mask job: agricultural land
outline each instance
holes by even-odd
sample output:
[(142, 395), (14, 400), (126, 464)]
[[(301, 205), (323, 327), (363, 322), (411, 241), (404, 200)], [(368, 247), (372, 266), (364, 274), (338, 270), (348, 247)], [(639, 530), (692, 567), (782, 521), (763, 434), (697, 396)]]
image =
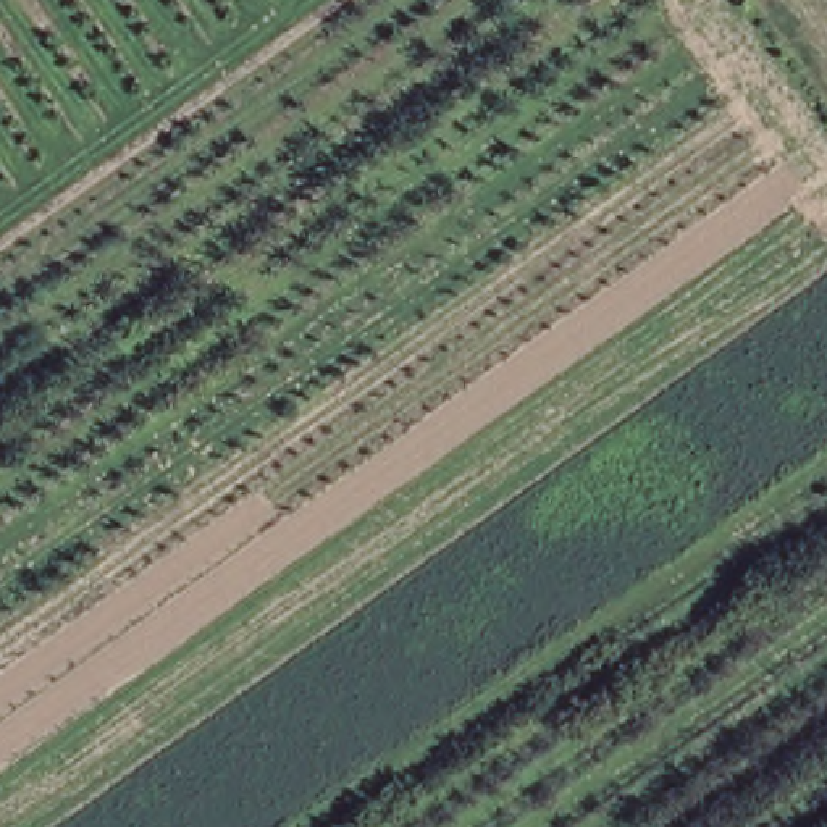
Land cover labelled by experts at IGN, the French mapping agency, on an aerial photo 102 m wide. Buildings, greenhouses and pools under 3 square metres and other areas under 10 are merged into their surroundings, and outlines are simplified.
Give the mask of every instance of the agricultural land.
[(384, 749), (401, 749), (417, 730), (430, 724), (443, 727), (443, 714), (449, 714), (455, 704), (478, 695), (491, 678), (510, 672), (523, 656), (543, 649), (559, 633), (572, 630), (578, 620), (601, 611), (607, 601), (620, 598), (627, 588), (640, 585), (653, 569), (682, 556), (720, 520), (737, 514), (746, 501), (756, 501), (762, 491), (769, 491), (772, 481), (804, 465), (817, 449), (827, 446), (827, 275), (817, 278), (804, 294), (766, 313), (737, 342), (724, 346), (695, 372), (669, 384), (669, 391), (662, 391), (649, 407), (643, 407), (633, 417), (633, 423), (627, 423), (594, 449), (575, 455), (539, 491), (514, 497), (491, 520), (468, 530), (459, 543), (452, 543), (436, 559), (420, 565), (414, 575), (407, 575), (401, 585), (394, 585), (378, 601), (362, 607), (342, 627), (317, 640), (310, 649), (284, 662), (252, 691), (239, 695), (229, 707), (204, 720), (194, 733), (181, 737), (174, 746), (139, 766), (129, 779), (123, 779), (103, 798), (84, 808), (68, 827), (310, 827), (333, 808), (333, 801), (342, 791), (381, 772), (375, 759)]

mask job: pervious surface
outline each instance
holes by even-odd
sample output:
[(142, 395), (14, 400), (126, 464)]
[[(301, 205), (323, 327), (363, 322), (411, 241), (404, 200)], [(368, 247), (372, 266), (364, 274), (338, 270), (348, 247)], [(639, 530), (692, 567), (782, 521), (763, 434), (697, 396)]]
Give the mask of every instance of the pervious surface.
[(320, 13), (294, 23), (288, 32), (258, 48), (239, 68), (226, 71), (213, 87), (187, 100), (178, 120), (187, 120), (207, 110), (213, 100), (226, 97), (233, 87), (239, 87), (258, 68), (275, 61), (294, 42), (317, 32), (323, 19), (333, 26), (346, 19), (349, 13), (339, 0), (333, 0)]
[(126, 168), (142, 152), (149, 152), (158, 142), (158, 132), (139, 136), (103, 165), (90, 168), (81, 181), (55, 194), (42, 210), (29, 213), (23, 223), (0, 233), (0, 246), (10, 249), (48, 220), (61, 216), (100, 181)]

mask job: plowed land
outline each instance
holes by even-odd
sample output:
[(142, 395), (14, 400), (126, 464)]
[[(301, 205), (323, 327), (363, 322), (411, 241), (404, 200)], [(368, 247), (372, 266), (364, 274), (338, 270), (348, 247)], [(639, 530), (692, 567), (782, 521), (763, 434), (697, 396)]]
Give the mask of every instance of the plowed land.
[(504, 362), (491, 365), (478, 381), (472, 381), (465, 391), (455, 391), (420, 423), (414, 423), (404, 436), (397, 436), (381, 452), (368, 455), (362, 465), (349, 468), (336, 481), (323, 485), (323, 491), (317, 491), (313, 497), (300, 501), (294, 514), (288, 514), (275, 530), (262, 533), (229, 565), (223, 565), (194, 591), (174, 598), (162, 614), (136, 627), (123, 643), (100, 653), (90, 665), (81, 665), (68, 682), (52, 685), (48, 672), (65, 669), (68, 659), (81, 656), (100, 636), (113, 633), (120, 623), (142, 614), (145, 604), (155, 604), (168, 588), (191, 578), (197, 569), (204, 569), (210, 559), (229, 549), (242, 533), (258, 527), (275, 510), (265, 494), (242, 497), (210, 527), (191, 533), (145, 572), (126, 578), (100, 604), (84, 611), (78, 620), (65, 623), (55, 636), (42, 636), (36, 653), (10, 659), (0, 669), (0, 769), (19, 759), (23, 753), (36, 749), (68, 720), (90, 711), (97, 701), (110, 698), (132, 678), (139, 678), (149, 665), (165, 659), (181, 643), (187, 643), (197, 630), (213, 623), (258, 585), (284, 572), (291, 562), (317, 549), (323, 539), (349, 527), (352, 520), (359, 520), (394, 488), (433, 468), (443, 455), (462, 446), (485, 423), (510, 410), (552, 375), (565, 372), (607, 336), (640, 320), (675, 288), (701, 275), (707, 265), (733, 252), (737, 246), (743, 246), (749, 236), (756, 236), (769, 220), (775, 220), (785, 210), (795, 210), (791, 197), (801, 187), (801, 181), (788, 162), (782, 168), (769, 168), (769, 174), (753, 178), (733, 200), (720, 204), (717, 210), (682, 229), (656, 255), (649, 255), (633, 271), (601, 288), (598, 297), (578, 304), (572, 313), (559, 317), (549, 330), (536, 333)]

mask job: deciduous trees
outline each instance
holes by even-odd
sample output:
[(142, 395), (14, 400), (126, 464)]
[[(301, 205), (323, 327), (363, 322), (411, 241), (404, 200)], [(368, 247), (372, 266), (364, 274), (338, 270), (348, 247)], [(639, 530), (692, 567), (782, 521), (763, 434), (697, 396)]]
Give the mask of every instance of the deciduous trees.
[(362, 162), (352, 162), (336, 178), (323, 181), (310, 194), (310, 200), (297, 200), (291, 216), (275, 213), (265, 233), (249, 239), (249, 249), (265, 258), (262, 275), (275, 275), (281, 265), (291, 265), (304, 249), (317, 252), (323, 239), (336, 229), (336, 223), (349, 220), (352, 204), (375, 207), (375, 197), (355, 191)]
[(527, 785), (507, 811), (494, 811), (485, 827), (520, 827), (517, 821), (527, 808), (546, 804), (569, 782), (565, 769), (552, 769), (539, 775), (533, 785)]
[(607, 165), (591, 165), (585, 171), (601, 184), (598, 191), (588, 191), (581, 181), (562, 187), (559, 210), (565, 216), (578, 216), (581, 200), (607, 194), (614, 184), (623, 181), (623, 171), (611, 158)]
[(643, 811), (643, 827), (672, 827), (707, 791), (733, 782), (749, 766), (759, 766), (766, 753), (772, 753), (779, 743), (785, 743), (795, 730), (801, 730), (811, 717), (817, 717), (827, 707), (827, 688), (817, 691), (804, 678), (804, 707), (795, 707), (779, 724), (769, 724), (769, 730), (746, 740), (733, 759), (724, 759), (720, 766), (711, 766), (711, 772), (691, 779), (662, 808)]
[(559, 281), (562, 265), (569, 265), (569, 258), (585, 258), (594, 249), (591, 239), (581, 239), (572, 249), (562, 249), (530, 278), (536, 284)]
[(249, 213), (262, 197), (268, 197), (262, 191), (265, 174), (252, 168), (249, 174), (239, 174), (229, 184), (233, 191), (239, 191), (236, 204), (242, 204)]
[(246, 323), (233, 326), (226, 336), (220, 336), (220, 342), (200, 352), (191, 365), (171, 372), (165, 381), (149, 388), (145, 394), (152, 397), (155, 410), (174, 401), (178, 394), (194, 391), (204, 375), (213, 375), (233, 355), (249, 355), (262, 342), (265, 326), (278, 323), (268, 313), (255, 313)]
[(465, 100), (468, 94), (481, 100), (488, 90), (478, 87), (478, 78), (497, 71), (530, 45), (530, 36), (539, 32), (539, 19), (520, 16), (510, 6), (510, 0), (497, 0), (501, 10), (491, 16), (497, 26), (494, 36), (478, 32), (478, 26), (485, 23), (478, 10), (465, 16), (468, 52), (459, 52), (449, 65), (449, 71), (462, 78), (459, 90), (452, 90), (443, 103), (420, 107), (417, 123), (397, 120), (391, 126), (388, 142), (378, 145), (378, 155), (423, 139), (430, 126), (439, 120), (439, 113), (455, 100)]
[(827, 785), (827, 743), (811, 756), (798, 756), (788, 772), (795, 782), (811, 775), (821, 785)]
[(178, 265), (171, 294), (152, 300), (142, 310), (142, 317), (123, 320), (116, 333), (100, 320), (87, 336), (68, 336), (61, 346), (52, 346), (45, 333), (32, 326), (26, 339), (19, 339), (0, 359), (0, 465), (16, 465), (39, 430), (52, 433), (61, 420), (81, 417), (87, 404), (100, 404), (107, 391), (123, 391), (129, 378), (142, 378), (152, 365), (162, 365), (171, 352), (178, 352), (216, 317), (226, 317), (229, 307), (239, 307), (246, 297), (223, 284), (207, 284)]
[(769, 782), (746, 791), (743, 801), (733, 808), (711, 811), (714, 827), (762, 827), (766, 821), (759, 817), (759, 811), (775, 801), (779, 788), (775, 782)]
[(636, 10), (656, 6), (659, 0), (620, 0), (607, 23), (581, 19), (581, 26), (594, 39), (617, 36), (620, 29), (627, 29)]
[(333, 84), (359, 58), (372, 55), (381, 45), (381, 39), (372, 36), (355, 48), (346, 48), (342, 58), (330, 68), (323, 68), (317, 74), (317, 84)]
[(420, 187), (404, 194), (414, 207), (452, 200), (449, 178), (433, 174)]
[(45, 262), (42, 271), (19, 278), (6, 291), (0, 288), (0, 310), (45, 284), (55, 284), (65, 271), (61, 262)]
[(688, 614), (685, 620), (656, 630), (640, 643), (630, 643), (617, 659), (607, 659), (604, 646), (598, 646), (581, 653), (578, 669), (565, 678), (559, 678), (552, 669), (543, 669), (539, 675), (527, 678), (514, 695), (494, 701), (488, 711), (465, 720), (462, 730), (443, 733), (420, 762), (407, 769), (391, 769), (391, 785), (355, 814), (359, 827), (401, 827), (394, 821), (394, 808), (401, 801), (414, 804), (420, 785), (423, 791), (433, 788), (430, 775), (443, 769), (459, 769), (488, 743), (507, 737), (510, 727), (523, 724), (523, 717), (539, 720), (536, 733), (517, 749), (494, 756), (465, 785), (452, 788), (439, 804), (426, 811), (426, 817), (417, 827), (459, 827), (459, 808), (475, 804), (478, 795), (494, 795), (507, 779), (514, 779), (539, 753), (552, 749), (559, 740), (578, 740), (581, 730), (575, 727), (575, 720), (581, 714), (591, 724), (601, 724), (601, 730), (607, 733), (594, 746), (578, 753), (578, 759), (591, 769), (604, 762), (617, 746), (646, 733), (659, 717), (682, 707), (688, 698), (704, 695), (717, 675), (724, 675), (727, 665), (733, 665), (746, 653), (749, 630), (766, 630), (772, 620), (795, 611), (791, 591), (801, 578), (814, 575), (817, 569), (827, 572), (827, 533), (801, 543), (791, 556), (766, 559), (759, 572), (746, 578), (733, 607), (724, 617), (717, 617), (711, 633)]
[(61, 549), (52, 549), (45, 565), (32, 569), (42, 588), (39, 594), (52, 594), (61, 585), (68, 585), (61, 578), (61, 569), (68, 562), (74, 562), (84, 572), (87, 559), (97, 556), (90, 543), (74, 539)]
[(527, 74), (510, 81), (523, 94), (530, 94), (536, 84), (556, 84), (556, 74), (546, 74), (543, 65), (533, 65)]
[(181, 233), (194, 233), (223, 207), (229, 207), (226, 194), (220, 191), (200, 210), (187, 210), (178, 220)]
[(123, 81), (126, 94), (136, 90), (136, 78), (129, 78), (123, 61), (116, 58), (116, 48), (110, 48), (100, 36), (90, 42), (94, 52), (107, 58), (110, 71)]
[(339, 142), (320, 132), (320, 139), (307, 142), (291, 162), (281, 162), (278, 155), (268, 158), (268, 171), (284, 168), (288, 174), (294, 174), (300, 168), (310, 168), (320, 155), (333, 152)]
[(414, 226), (410, 213), (401, 213), (394, 207), (384, 220), (368, 223), (342, 255), (333, 258), (339, 268), (355, 268), (362, 258), (375, 258), (381, 239), (401, 239)]
[(191, 158), (191, 178), (204, 178), (210, 168), (220, 165), (223, 155), (236, 152), (239, 145), (252, 145), (252, 139), (242, 129), (233, 129), (223, 139), (210, 142), (207, 152)]
[(84, 439), (74, 439), (65, 452), (45, 459), (39, 465), (39, 475), (58, 478), (65, 468), (78, 468), (81, 462), (103, 452), (113, 439), (120, 439), (129, 426), (142, 423), (152, 410), (129, 401), (129, 407), (97, 423)]
[(365, 342), (349, 342), (349, 349), (336, 355), (330, 365), (320, 365), (310, 378), (300, 378), (294, 388), (284, 388), (278, 397), (271, 397), (268, 410), (275, 417), (294, 417), (304, 401), (323, 391), (333, 378), (342, 378), (346, 368), (359, 365), (365, 355), (372, 355)]
[(598, 811), (598, 798), (585, 795), (556, 827), (581, 827), (591, 811)]
[(497, 249), (488, 249), (481, 258), (475, 258), (475, 271), (494, 271), (497, 265), (510, 262), (510, 255), (520, 246), (514, 236), (507, 236), (497, 242)]
[(342, 107), (352, 116), (365, 120), (368, 113), (384, 110), (378, 97), (352, 90), (342, 100)]

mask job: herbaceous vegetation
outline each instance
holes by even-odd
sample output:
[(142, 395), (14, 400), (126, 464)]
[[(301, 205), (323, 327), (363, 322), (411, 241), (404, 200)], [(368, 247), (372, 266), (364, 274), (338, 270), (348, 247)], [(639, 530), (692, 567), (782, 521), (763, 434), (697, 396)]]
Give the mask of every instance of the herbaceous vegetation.
[(284, 662), (310, 649), (317, 640), (342, 627), (362, 607), (378, 601), (394, 585), (401, 585), (407, 575), (414, 575), (420, 565), (436, 559), (452, 543), (459, 543), (468, 530), (491, 520), (514, 497), (539, 491), (575, 455), (594, 449), (627, 423), (633, 423), (633, 417), (643, 407), (649, 407), (662, 391), (669, 391), (669, 384), (695, 372), (724, 346), (737, 342), (766, 313), (804, 294), (817, 278), (827, 275), (827, 236), (795, 210), (785, 210), (775, 220), (769, 220), (756, 236), (749, 236), (743, 246), (737, 246), (733, 252), (707, 265), (701, 275), (675, 288), (640, 320), (607, 336), (565, 372), (552, 375), (510, 410), (485, 423), (462, 446), (443, 455), (433, 468), (394, 488), (359, 520), (352, 520), (349, 527), (323, 539), (317, 549), (291, 562), (284, 572), (258, 585), (213, 623), (197, 630), (187, 643), (181, 643), (165, 659), (149, 665), (139, 678), (132, 678), (110, 698), (97, 701), (90, 711), (68, 720), (36, 749), (23, 753), (19, 759), (0, 769), (0, 827), (68, 827), (84, 808), (103, 798), (123, 779), (129, 779), (139, 766), (174, 746), (181, 737), (194, 733), (204, 720), (229, 707), (239, 695), (252, 691)]
[(507, 811), (527, 785), (533, 785), (539, 775), (552, 769), (565, 769), (569, 782), (546, 804), (527, 808), (517, 821), (520, 827), (556, 827), (585, 795), (598, 798), (598, 811), (591, 811), (581, 827), (643, 827), (643, 811), (662, 808), (691, 779), (711, 772), (711, 766), (720, 766), (724, 759), (733, 759), (746, 740), (769, 730), (769, 724), (779, 724), (795, 707), (804, 707), (804, 678), (817, 691), (827, 688), (827, 572), (817, 569), (814, 575), (801, 578), (791, 591), (795, 611), (772, 620), (766, 630), (749, 630), (746, 653), (733, 665), (727, 665), (724, 675), (717, 675), (704, 695), (688, 698), (682, 707), (659, 717), (646, 733), (617, 746), (604, 762), (591, 769), (578, 759), (578, 753), (594, 746), (607, 733), (601, 730), (601, 724), (591, 724), (581, 714), (575, 720), (575, 727), (581, 730), (578, 740), (559, 740), (552, 749), (539, 753), (514, 779), (507, 779), (494, 795), (478, 795), (475, 804), (459, 808), (459, 827), (485, 827), (494, 811)]
[(507, 737), (488, 743), (459, 769), (443, 769), (430, 775), (433, 788), (423, 791), (420, 785), (414, 804), (401, 801), (394, 808), (394, 821), (401, 827), (417, 827), (426, 817), (426, 811), (439, 804), (452, 788), (465, 785), (494, 756), (517, 749), (536, 733), (539, 720), (523, 717), (523, 724), (510, 727)]
[[(636, 10), (627, 29), (620, 29), (617, 36), (594, 39), (581, 26), (581, 19), (607, 23), (620, 0), (510, 0), (510, 6), (520, 16), (539, 19), (539, 32), (530, 36), (530, 45), (497, 71), (478, 78), (478, 87), (488, 90), (481, 100), (468, 94), (465, 100), (455, 100), (439, 113), (439, 120), (430, 126), (423, 139), (378, 155), (378, 145), (388, 142), (391, 126), (397, 120), (417, 123), (420, 107), (443, 103), (452, 90), (459, 90), (462, 78), (449, 71), (449, 65), (459, 52), (468, 52), (465, 16), (478, 10), (485, 23), (478, 26), (478, 32), (494, 36), (497, 26), (491, 16), (501, 10), (497, 0), (339, 0), (349, 13), (346, 19), (333, 26), (323, 19), (317, 32), (294, 42), (275, 61), (258, 68), (239, 87), (233, 87), (226, 97), (213, 100), (207, 110), (187, 120), (178, 120), (187, 100), (213, 87), (226, 71), (239, 68), (258, 48), (288, 32), (294, 23), (320, 13), (333, 0), (0, 0), (0, 233), (23, 223), (29, 213), (42, 210), (55, 194), (81, 181), (90, 168), (103, 165), (139, 136), (158, 132), (158, 142), (149, 152), (142, 152), (126, 168), (100, 181), (61, 216), (48, 220), (10, 249), (0, 246), (0, 288), (6, 291), (19, 278), (42, 271), (45, 262), (61, 262), (65, 271), (55, 284), (45, 284), (0, 310), (0, 359), (19, 339), (26, 339), (32, 326), (45, 333), (52, 346), (61, 346), (68, 336), (87, 336), (100, 320), (116, 333), (123, 320), (142, 317), (142, 310), (152, 300), (171, 294), (178, 265), (207, 284), (223, 284), (246, 297), (239, 307), (229, 307), (226, 317), (216, 317), (178, 352), (171, 352), (162, 365), (152, 365), (142, 378), (129, 378), (123, 391), (107, 391), (100, 404), (87, 404), (81, 417), (61, 420), (52, 433), (39, 430), (16, 465), (0, 465), (0, 669), (10, 659), (36, 653), (42, 636), (55, 636), (65, 623), (78, 620), (84, 611), (100, 604), (126, 578), (145, 572), (191, 533), (210, 527), (242, 497), (265, 494), (275, 510), (258, 527), (242, 533), (229, 549), (210, 559), (204, 569), (197, 569), (191, 578), (168, 588), (155, 604), (145, 604), (142, 614), (120, 623), (113, 633), (100, 636), (81, 656), (68, 659), (65, 669), (48, 672), (52, 685), (68, 682), (81, 665), (90, 665), (100, 653), (123, 643), (136, 627), (162, 614), (174, 598), (194, 591), (223, 565), (229, 565), (262, 533), (275, 530), (288, 514), (294, 514), (300, 501), (313, 497), (317, 491), (323, 491), (323, 485), (336, 481), (349, 468), (362, 465), (368, 455), (381, 452), (397, 436), (404, 436), (414, 423), (420, 423), (455, 391), (465, 391), (472, 381), (478, 381), (491, 365), (504, 362), (536, 333), (549, 330), (559, 317), (572, 313), (578, 304), (598, 297), (601, 288), (633, 271), (649, 255), (656, 255), (682, 229), (717, 210), (720, 204), (733, 200), (753, 178), (769, 174), (769, 168), (782, 168), (788, 162), (801, 181), (827, 168), (827, 0), (659, 0), (656, 6)], [(110, 48), (116, 48), (116, 58), (123, 61), (129, 78), (136, 78), (136, 90), (126, 94), (123, 81), (110, 71), (107, 58), (94, 52), (90, 42), (100, 36)], [(372, 55), (359, 58), (333, 84), (317, 84), (317, 74), (323, 68), (330, 68), (342, 58), (346, 48), (355, 48), (372, 36), (381, 39), (381, 45)], [(527, 74), (533, 65), (543, 65), (546, 74), (556, 74), (556, 84), (536, 84), (530, 94), (523, 94), (510, 81)], [(384, 110), (368, 113), (365, 120), (352, 116), (342, 107), (342, 100), (352, 90), (378, 97)], [(756, 110), (759, 123), (782, 139), (782, 149), (772, 158), (759, 165), (753, 162), (753, 139), (737, 126), (733, 113), (727, 110), (727, 103), (733, 100), (746, 100), (749, 110)], [(191, 178), (191, 158), (207, 152), (210, 142), (223, 139), (233, 129), (242, 129), (252, 139), (252, 145), (239, 145), (236, 152), (223, 155), (220, 165), (210, 168), (204, 178)], [(284, 168), (268, 171), (268, 158), (278, 155), (281, 162), (291, 162), (307, 142), (320, 139), (320, 132), (339, 142), (333, 152), (320, 155), (310, 168), (300, 168), (294, 174), (288, 174)], [(581, 200), (578, 216), (565, 216), (559, 210), (562, 187), (581, 181), (588, 191), (598, 191), (601, 184), (585, 171), (591, 165), (607, 165), (611, 158), (623, 171), (623, 181), (614, 184), (607, 194)], [(262, 275), (265, 258), (249, 249), (249, 239), (265, 233), (275, 213), (291, 216), (297, 200), (310, 200), (310, 194), (323, 181), (336, 178), (352, 162), (362, 162), (355, 191), (375, 197), (375, 207), (352, 204), (349, 220), (336, 223), (336, 229), (323, 239), (317, 252), (304, 249), (291, 265), (281, 265), (275, 275)], [(262, 191), (268, 197), (262, 197), (249, 213), (242, 204), (236, 204), (239, 191), (233, 191), (229, 184), (239, 174), (249, 174), (252, 168), (265, 174)], [(420, 187), (433, 174), (449, 178), (452, 200), (414, 207), (404, 194)], [(194, 233), (181, 233), (178, 220), (187, 210), (200, 210), (220, 191), (226, 194), (229, 207), (223, 207)], [(401, 213), (410, 213), (414, 226), (401, 239), (381, 239), (375, 258), (362, 258), (355, 268), (339, 268), (333, 258), (342, 255), (368, 223), (384, 220), (394, 207)], [(510, 255), (510, 262), (497, 265), (494, 271), (475, 271), (475, 258), (481, 258), (488, 249), (497, 249), (497, 242), (507, 236), (514, 236), (520, 246)], [(536, 284), (530, 278), (562, 249), (572, 249), (581, 239), (591, 239), (594, 249), (585, 258), (569, 258), (569, 265), (562, 265), (559, 281)], [(213, 375), (204, 375), (194, 391), (178, 394), (174, 401), (155, 410), (152, 397), (145, 394), (149, 388), (165, 381), (171, 372), (191, 365), (200, 352), (220, 342), (220, 336), (226, 336), (233, 326), (246, 323), (255, 313), (268, 313), (278, 323), (265, 326), (262, 342), (249, 355), (233, 355)], [(349, 349), (349, 342), (365, 342), (372, 355), (365, 355), (359, 365), (346, 368), (342, 378), (333, 378), (323, 391), (304, 401), (294, 417), (275, 417), (268, 410), (271, 397), (278, 397), (284, 388), (294, 388), (300, 378), (310, 378), (320, 365), (330, 365), (336, 355)], [(113, 439), (103, 452), (81, 462), (78, 468), (65, 468), (58, 478), (39, 475), (39, 465), (45, 459), (65, 452), (74, 439), (84, 439), (97, 423), (129, 407), (129, 401), (152, 410), (142, 423), (129, 426), (120, 439)], [(52, 549), (61, 549), (74, 539), (90, 543), (97, 556), (87, 559), (84, 572), (74, 562), (68, 562), (61, 569), (61, 578), (68, 585), (61, 585), (52, 594), (39, 594), (42, 588), (32, 569), (45, 565)]]
[(714, 827), (711, 811), (733, 808), (743, 801), (746, 791), (769, 782), (775, 782), (779, 788), (775, 801), (759, 811), (759, 817), (766, 821), (762, 827), (827, 827), (827, 785), (821, 785), (811, 775), (795, 782), (788, 772), (798, 756), (811, 756), (827, 743), (827, 707), (817, 717), (811, 717), (801, 730), (795, 730), (785, 743), (779, 743), (772, 753), (766, 753), (759, 766), (749, 766), (733, 782), (707, 791), (672, 827)]
[(381, 772), (342, 791), (333, 801), (333, 808), (310, 827), (359, 827), (355, 814), (391, 785), (391, 769), (407, 769), (420, 762), (443, 733), (462, 730), (465, 720), (488, 711), (494, 701), (514, 695), (527, 678), (539, 675), (543, 669), (552, 669), (559, 678), (565, 678), (578, 669), (581, 653), (598, 646), (604, 646), (607, 659), (617, 659), (630, 643), (640, 643), (656, 630), (685, 620), (688, 614), (711, 633), (717, 617), (724, 617), (733, 607), (746, 578), (759, 572), (766, 559), (791, 556), (801, 543), (827, 533), (827, 446), (817, 449), (804, 465), (772, 481), (769, 491), (762, 491), (756, 501), (746, 501), (737, 514), (720, 520), (682, 556), (653, 569), (640, 585), (627, 588), (620, 598), (607, 601), (601, 611), (578, 620), (572, 630), (559, 633), (543, 649), (523, 656), (510, 672), (491, 678), (478, 695), (455, 704), (449, 714), (443, 714), (443, 727), (430, 724), (417, 730), (401, 749), (384, 749), (375, 759)]

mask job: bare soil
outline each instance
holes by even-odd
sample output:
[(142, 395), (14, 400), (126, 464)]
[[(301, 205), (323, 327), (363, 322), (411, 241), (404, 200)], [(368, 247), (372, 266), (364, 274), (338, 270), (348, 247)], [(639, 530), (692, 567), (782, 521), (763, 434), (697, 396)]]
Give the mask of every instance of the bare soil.
[(801, 187), (791, 197), (795, 210), (827, 236), (827, 168), (801, 181)]
[(749, 110), (746, 100), (733, 100), (727, 103), (727, 110), (733, 113), (737, 126), (753, 139), (753, 162), (759, 165), (772, 158), (782, 149), (782, 139), (759, 123), (756, 110)]

